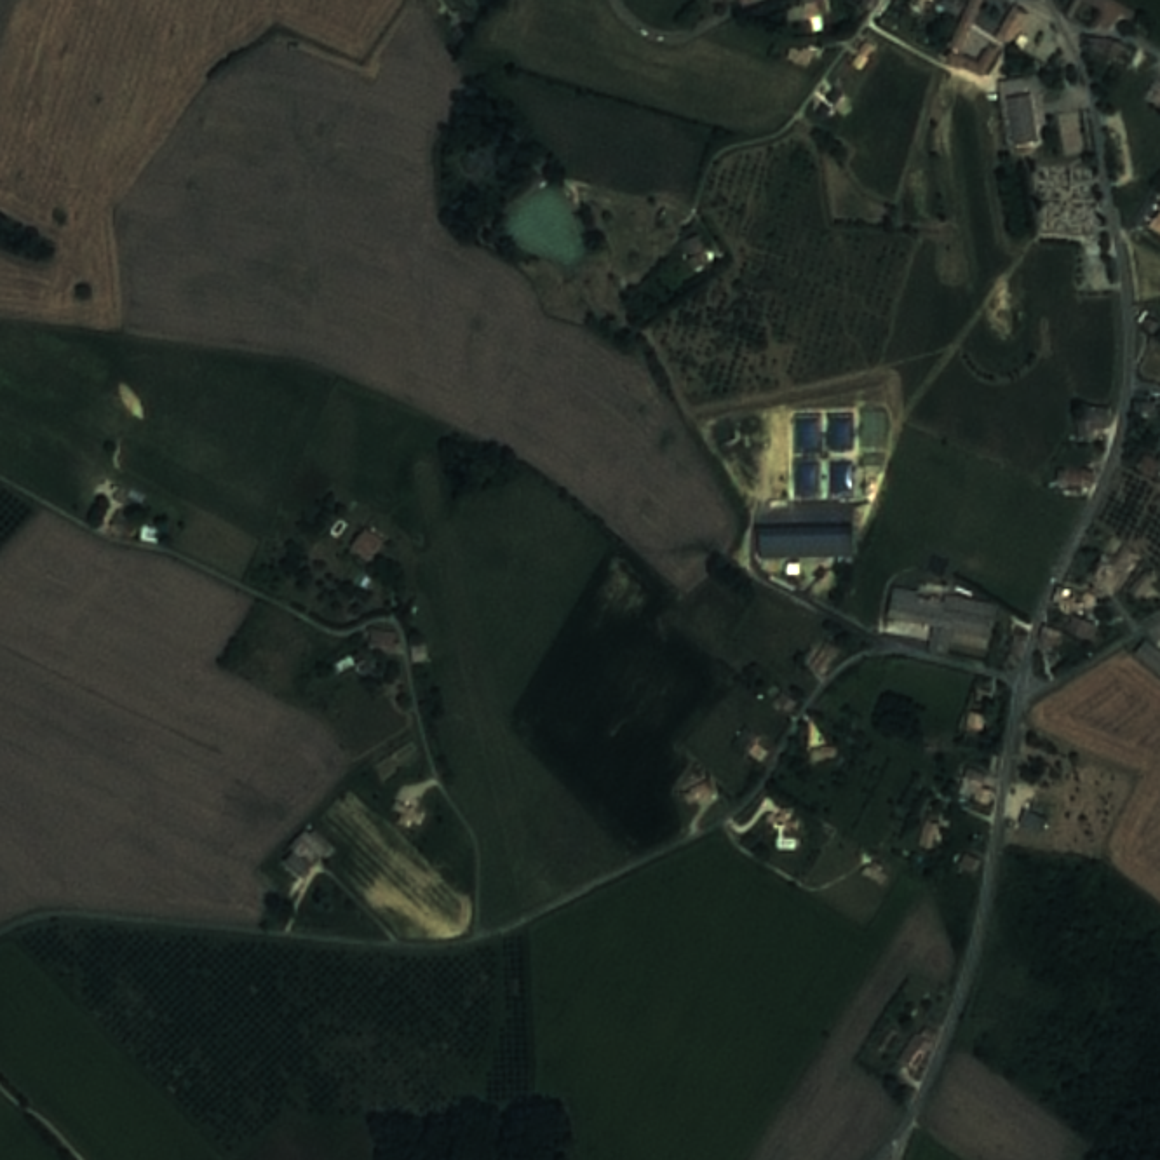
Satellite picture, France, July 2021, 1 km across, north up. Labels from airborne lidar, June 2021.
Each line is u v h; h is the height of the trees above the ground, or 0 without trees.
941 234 0
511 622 0
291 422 0
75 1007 0
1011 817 0
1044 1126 0
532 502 0
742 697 0
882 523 0
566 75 0
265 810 0
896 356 0
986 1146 0
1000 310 0
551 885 0
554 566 0
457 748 0
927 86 0
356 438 0
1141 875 0
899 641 0
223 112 0
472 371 0
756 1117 0
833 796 0
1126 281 0
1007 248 0
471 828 0
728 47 0
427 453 0
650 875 0
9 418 0
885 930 0
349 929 0
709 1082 0
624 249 0
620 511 0
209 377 0
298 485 0
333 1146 0
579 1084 0
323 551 0
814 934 0
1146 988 9
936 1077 0
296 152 0
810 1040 0
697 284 9
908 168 0
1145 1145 11
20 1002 0
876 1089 0
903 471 0
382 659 8
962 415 0
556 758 0
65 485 0
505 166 10
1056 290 0
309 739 0
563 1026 0
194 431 0
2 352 0
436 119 0
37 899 0
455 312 0
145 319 0
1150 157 0
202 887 0
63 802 0
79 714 0
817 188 0
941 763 11
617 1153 0
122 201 0
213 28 0
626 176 0
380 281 0
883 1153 0
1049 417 0
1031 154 0
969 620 0
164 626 0
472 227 20
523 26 0
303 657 0
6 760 0
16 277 0
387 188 0
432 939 0
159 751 0
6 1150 0
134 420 0
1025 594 0
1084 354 0
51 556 0
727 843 0
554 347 0
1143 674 0
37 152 0
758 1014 0
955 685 0
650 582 0
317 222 0
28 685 0
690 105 0
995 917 0
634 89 0
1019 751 0
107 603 0
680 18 11
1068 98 0
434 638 0
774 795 10
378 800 6
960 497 0
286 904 18
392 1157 21
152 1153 0
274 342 0
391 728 0
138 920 0
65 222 0
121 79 0
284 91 0
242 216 0
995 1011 0
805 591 0
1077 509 0
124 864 0
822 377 0
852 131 0
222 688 0
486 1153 29
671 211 0
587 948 0
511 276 0
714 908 0
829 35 8
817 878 0
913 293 0
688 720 0
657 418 0
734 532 0
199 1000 5
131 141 0
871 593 0
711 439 0
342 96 0
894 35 0
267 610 0
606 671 0
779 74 0
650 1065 0
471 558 0
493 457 15
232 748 0
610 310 0
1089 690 0
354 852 0
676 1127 0
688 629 0
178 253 0
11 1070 0
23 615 0
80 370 0
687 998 0
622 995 0
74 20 0
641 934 0
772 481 0
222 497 0
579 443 0
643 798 0
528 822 0
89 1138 0
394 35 0
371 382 0
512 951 5
